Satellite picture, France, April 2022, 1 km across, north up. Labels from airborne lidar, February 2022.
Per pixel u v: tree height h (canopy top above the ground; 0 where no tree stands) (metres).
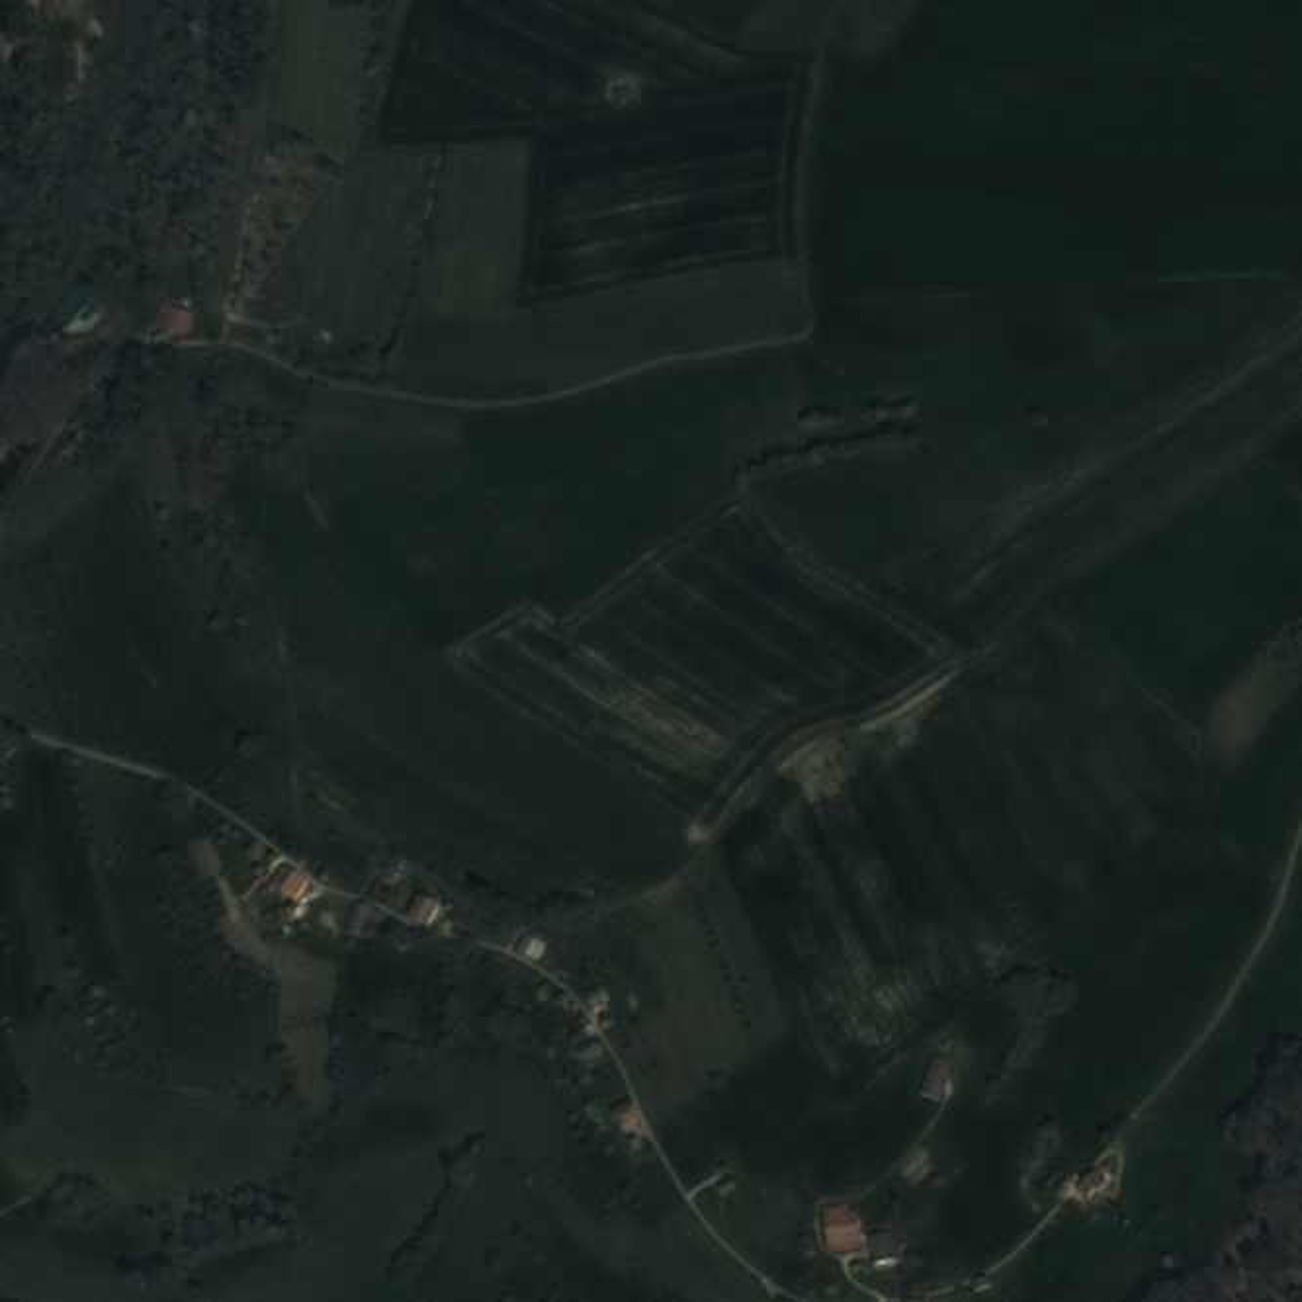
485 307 0
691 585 0
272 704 0
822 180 0
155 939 0
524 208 0
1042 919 0
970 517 0
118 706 0
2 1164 0
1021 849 0
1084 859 0
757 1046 0
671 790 0
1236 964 0
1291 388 0
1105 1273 0
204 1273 0
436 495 0
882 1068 0
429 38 0
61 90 0
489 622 0
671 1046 0
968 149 0
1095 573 0
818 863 0
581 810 0
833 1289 8
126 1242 0
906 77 0
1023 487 0
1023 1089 0
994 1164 0
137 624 0
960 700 0
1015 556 0
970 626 0
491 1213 0
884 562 0
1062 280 0
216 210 19
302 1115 18
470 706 0
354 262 0
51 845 0
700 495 0
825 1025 0
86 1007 6
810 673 0
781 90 0
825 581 0
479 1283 0
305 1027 0
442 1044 11
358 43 0
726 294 0
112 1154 0
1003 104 0
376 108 8
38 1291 0
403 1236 0
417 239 0
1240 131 0
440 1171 0
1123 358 0
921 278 0
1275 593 0
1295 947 0
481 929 16
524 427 0
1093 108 0
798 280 0
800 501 0
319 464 0
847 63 0
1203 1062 0
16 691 0
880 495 0
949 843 0
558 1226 0
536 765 0
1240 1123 15
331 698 0
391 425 0
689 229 0
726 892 0
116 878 0
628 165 0
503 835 0
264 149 0
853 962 0
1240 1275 20
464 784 0
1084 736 0
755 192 0
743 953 0
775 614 0
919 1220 0
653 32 0
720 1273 0
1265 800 0
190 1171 0
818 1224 0
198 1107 0
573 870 0
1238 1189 0
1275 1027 0
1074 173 0
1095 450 0
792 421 0
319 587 0
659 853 0
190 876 7
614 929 0
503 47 0
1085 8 0
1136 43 0
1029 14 0
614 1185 0
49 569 0
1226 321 0
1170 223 0
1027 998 25
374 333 0
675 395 0
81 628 0
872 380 0
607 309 0
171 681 0
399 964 0
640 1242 0
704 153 0
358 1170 0
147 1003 0
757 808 0
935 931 0
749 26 0
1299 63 0
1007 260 0
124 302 0
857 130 0
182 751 0
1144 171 0
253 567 20
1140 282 0
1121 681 0
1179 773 0
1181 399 0
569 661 0
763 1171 0
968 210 0
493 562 0
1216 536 0
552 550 0
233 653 0
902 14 0
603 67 0
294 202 0
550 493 0
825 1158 0
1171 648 0
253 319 0
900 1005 0
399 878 0
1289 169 0
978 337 0
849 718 0
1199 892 0
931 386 0
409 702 0
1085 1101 0
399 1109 0
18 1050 0
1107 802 0
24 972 0
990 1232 0
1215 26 0
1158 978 0
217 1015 0
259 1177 0
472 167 0
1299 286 0
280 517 0
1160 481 0
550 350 0
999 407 0
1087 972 0
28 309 15
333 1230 0
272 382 0
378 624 0
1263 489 0
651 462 0
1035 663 0
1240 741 0
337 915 0
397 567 0
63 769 10
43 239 15
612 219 0
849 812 0
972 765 0
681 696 0
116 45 21
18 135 24
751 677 0
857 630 0
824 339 0
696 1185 0
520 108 0
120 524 0
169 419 0
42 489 0
